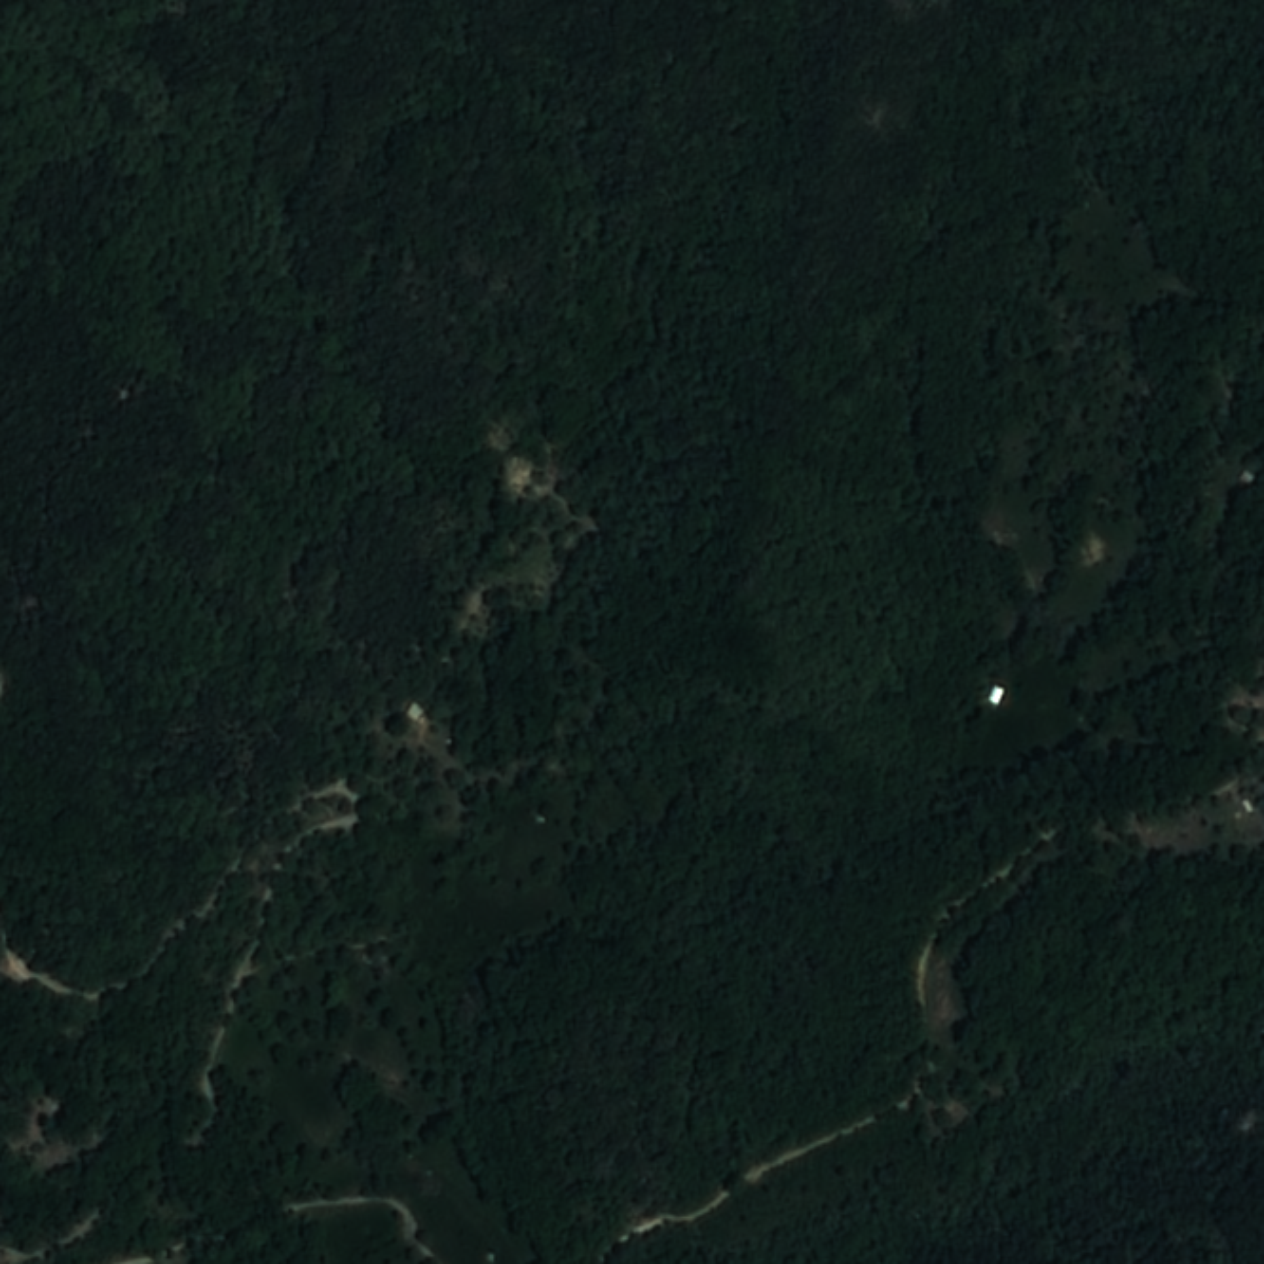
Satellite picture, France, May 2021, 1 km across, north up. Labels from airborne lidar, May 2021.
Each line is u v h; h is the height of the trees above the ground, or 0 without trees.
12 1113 16
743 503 18
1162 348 18
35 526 12
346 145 12
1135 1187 11
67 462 15
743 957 18
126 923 13
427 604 12
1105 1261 11
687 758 18
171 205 17
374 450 19
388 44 12
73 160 10
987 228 22
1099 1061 11
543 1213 19
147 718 13
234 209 14
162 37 14
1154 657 7
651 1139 22
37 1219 20
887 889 16
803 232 12
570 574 14
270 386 23
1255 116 10
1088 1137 16
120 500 13
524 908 0
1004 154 20
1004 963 18
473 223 18
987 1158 17
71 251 19
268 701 14
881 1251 10
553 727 10
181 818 10
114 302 17
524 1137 22
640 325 9
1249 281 22
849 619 28
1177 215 23
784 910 21
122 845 14
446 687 16
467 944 0
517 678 26
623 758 18
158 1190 11
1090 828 12
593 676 15
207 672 12
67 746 16
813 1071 14
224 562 12
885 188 18
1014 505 0
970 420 19
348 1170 0
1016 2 16
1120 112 19
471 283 9
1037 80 21
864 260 17
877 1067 19
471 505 13
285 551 19
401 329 14
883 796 25
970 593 24
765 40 17
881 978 20
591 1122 11
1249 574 20
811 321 15
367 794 12
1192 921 11
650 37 13
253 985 21
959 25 14
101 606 15
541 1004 20
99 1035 15
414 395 9
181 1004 7
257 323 18
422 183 12
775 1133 14
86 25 25
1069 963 11
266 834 16
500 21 11
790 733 23
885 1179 13
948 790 6
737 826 21
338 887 10
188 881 12
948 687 26
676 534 25
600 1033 18
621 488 25
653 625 15
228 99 17
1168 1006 16
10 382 15
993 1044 16
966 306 13
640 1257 18
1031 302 12
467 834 11
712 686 17
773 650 24
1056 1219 19
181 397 16
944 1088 15
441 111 9
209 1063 12
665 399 21
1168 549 21
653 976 16
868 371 18
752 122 14
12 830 17
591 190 14
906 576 25
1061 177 23
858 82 8
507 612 18
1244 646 20
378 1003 18
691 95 13
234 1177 16
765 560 21
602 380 12
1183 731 18
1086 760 29
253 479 17
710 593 18
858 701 18
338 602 12
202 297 15
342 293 18
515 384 18
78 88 22
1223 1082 13
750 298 13
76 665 15
